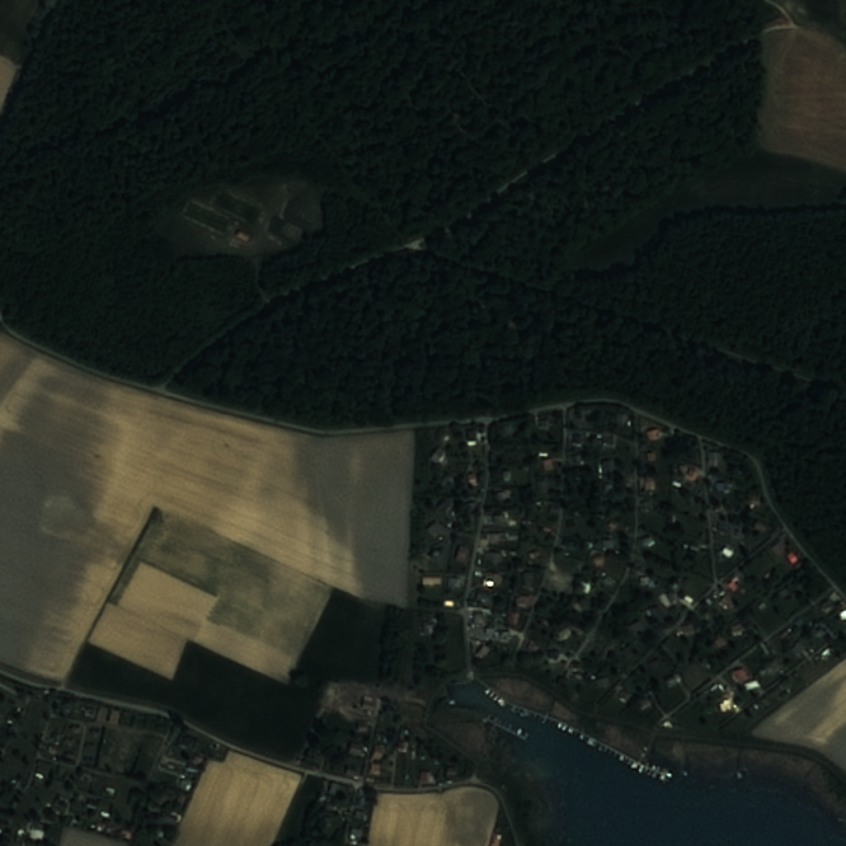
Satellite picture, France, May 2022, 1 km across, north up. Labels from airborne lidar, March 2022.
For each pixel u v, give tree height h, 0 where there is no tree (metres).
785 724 0
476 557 0
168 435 0
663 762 0
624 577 0
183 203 0
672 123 22
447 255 19
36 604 0
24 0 0
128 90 19
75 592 0
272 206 0
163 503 0
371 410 26
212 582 0
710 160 24
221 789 0
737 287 20
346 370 27
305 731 0
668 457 16
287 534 0
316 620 0
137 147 24
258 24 25
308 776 0
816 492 20
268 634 0
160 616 0
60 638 0
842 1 0
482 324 30
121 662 0
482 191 23
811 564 8
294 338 25
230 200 0
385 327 32
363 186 24
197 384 22
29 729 0
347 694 0
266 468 0
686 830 0
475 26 22
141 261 9
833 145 0
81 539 0
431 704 0
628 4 18
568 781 0
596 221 23
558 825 0
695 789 0
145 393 0
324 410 26
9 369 0
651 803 0
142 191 23
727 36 17
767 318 17
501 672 0
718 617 7
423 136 26
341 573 0
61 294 9
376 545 0
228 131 25
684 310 21
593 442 11
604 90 24
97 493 0
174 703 0
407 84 26
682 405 17
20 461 0
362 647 0
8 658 0
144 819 7
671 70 24
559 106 28
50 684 0
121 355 7
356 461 0
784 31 0
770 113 0
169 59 19
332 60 25
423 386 28
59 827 0
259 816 0
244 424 0
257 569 0
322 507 0
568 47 28
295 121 22
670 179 13
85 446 0
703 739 0
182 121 26
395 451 0
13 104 19
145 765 0
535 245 24
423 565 10
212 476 0
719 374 23
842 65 0
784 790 0
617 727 0
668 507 12
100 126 18
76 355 11
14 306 12
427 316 27
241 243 0
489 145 19
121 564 0
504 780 0
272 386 23
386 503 0
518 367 27
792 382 26
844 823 0
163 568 0
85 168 24
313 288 23
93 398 0
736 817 0
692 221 16
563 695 0
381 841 0
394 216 24
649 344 28
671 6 28
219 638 0
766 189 0
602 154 23
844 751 0
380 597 0
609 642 0
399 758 0
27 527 0
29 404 0
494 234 22
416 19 26
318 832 19
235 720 0
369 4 29
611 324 27
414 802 0
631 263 0
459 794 0
